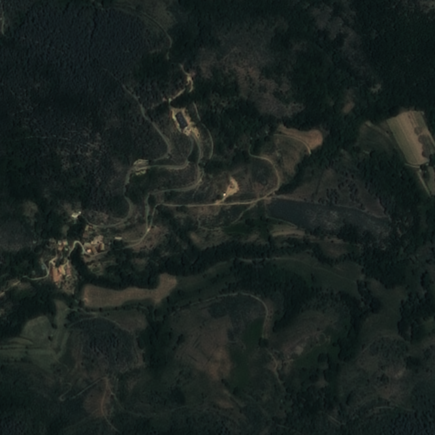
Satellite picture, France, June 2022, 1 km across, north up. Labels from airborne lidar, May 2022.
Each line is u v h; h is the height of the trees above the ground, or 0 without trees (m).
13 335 11
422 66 16
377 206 0
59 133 17
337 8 8
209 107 7
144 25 15
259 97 0
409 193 16
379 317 0
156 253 13
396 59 16
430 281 9
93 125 7
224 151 10
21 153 6
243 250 18
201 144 0
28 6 8
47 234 14
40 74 11
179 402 9
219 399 0
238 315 0
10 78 14
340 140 13
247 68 0
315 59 10
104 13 12
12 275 11
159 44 11
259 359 0
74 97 14
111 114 7
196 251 17
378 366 0
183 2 20
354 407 0
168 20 0
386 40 18
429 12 7
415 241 12
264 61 0
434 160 13
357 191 16
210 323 0
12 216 7
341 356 16
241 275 8
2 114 16
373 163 9
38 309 16
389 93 22
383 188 10
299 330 0
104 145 11
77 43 19
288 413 9
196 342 0
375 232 0
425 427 11
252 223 10
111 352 10
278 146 0
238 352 0
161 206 6
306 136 0
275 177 0
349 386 0
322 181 0
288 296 13
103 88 15
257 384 0
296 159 0
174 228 7
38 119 15
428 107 13
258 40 0
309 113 17
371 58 16
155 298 0
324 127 7
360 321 24
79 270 20
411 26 9
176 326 0
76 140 11
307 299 8
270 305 0
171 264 18
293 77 11
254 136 9
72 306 16
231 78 9
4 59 15
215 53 0
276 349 0
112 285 11
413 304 18
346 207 0
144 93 20
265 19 7
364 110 11
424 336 6
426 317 11
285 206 0
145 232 0
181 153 0
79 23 20
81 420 0
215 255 23
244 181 0
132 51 17
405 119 0
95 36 16
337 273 0
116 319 0
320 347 0
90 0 14
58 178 14
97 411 0
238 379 0
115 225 0
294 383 0
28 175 7
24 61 10
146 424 13
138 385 0
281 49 7
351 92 0
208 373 0
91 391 0
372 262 23
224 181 0
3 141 14
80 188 9
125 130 11
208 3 20
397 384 0
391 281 17
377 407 0
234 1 18
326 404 14
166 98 14
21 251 7
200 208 0
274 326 12
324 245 0
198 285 0
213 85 13
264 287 7
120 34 18
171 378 0
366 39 15
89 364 0
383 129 0
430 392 0
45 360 0
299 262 0
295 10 9
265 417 0
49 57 19
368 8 15
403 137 0
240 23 8
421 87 19
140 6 10
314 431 6
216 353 0
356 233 13
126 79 18
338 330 0
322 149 7
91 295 0
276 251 21
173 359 0
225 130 11
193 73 0
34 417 6
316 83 10
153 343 17
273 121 12
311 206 0
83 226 10
